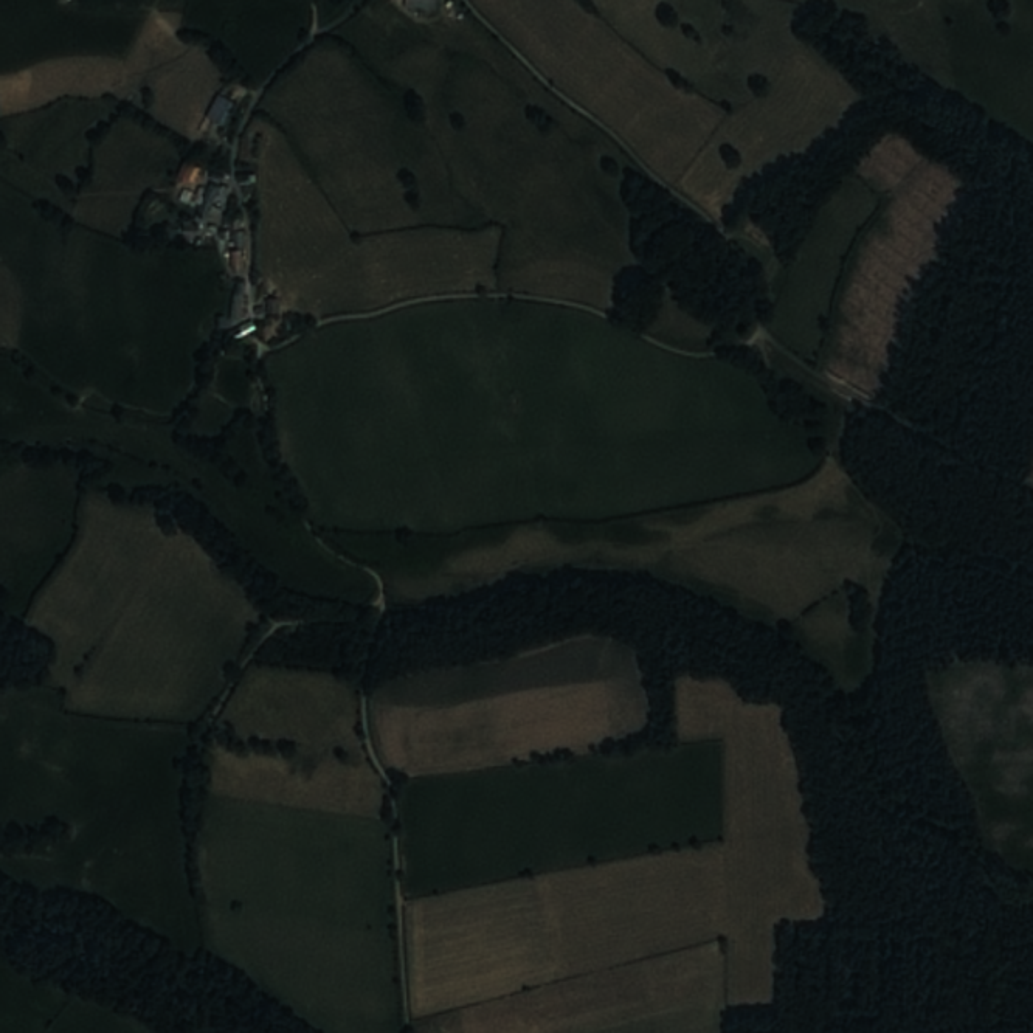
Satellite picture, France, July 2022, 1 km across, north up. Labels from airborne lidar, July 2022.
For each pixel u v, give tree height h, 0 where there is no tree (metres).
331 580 0
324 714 0
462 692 0
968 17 0
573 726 0
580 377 0
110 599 0
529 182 0
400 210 0
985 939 23
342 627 8
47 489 0
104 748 0
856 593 16
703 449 0
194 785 20
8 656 22
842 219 0
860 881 18
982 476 19
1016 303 24
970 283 22
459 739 0
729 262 23
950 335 18
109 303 0
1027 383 25
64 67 0
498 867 0
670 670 16
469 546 0
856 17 13
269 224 0
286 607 16
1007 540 23
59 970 29
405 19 0
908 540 9
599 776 0
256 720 0
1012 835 0
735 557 0
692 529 0
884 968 22
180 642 0
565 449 0
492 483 0
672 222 26
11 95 0
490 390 0
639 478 0
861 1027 24
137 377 0
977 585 25
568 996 0
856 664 0
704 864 0
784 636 11
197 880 20
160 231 16
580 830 0
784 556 0
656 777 0
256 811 0
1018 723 0
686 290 23
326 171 0
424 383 0
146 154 0
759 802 0
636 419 0
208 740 16
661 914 0
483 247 0
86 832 0
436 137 0
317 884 0
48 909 23
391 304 0
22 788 0
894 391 20
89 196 0
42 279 0
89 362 0
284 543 0
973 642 24
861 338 0
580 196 0
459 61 0
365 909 0
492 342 0
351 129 0
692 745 0
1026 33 0
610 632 17
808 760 17
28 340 0
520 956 0
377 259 0
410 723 0
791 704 15
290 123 0
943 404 18
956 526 20
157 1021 19
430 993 0
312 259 0
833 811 22
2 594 20
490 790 0
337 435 0
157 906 0
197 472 0
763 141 0
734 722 0
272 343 6
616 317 18
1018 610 24
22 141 0
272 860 0
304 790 0
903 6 0
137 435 0
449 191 0
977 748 0
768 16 0
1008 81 0
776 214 19
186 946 0
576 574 21
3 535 0
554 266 0
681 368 0
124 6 0
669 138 0
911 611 18
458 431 0
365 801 0
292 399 0
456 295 0
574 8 0
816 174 17
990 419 25
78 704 0
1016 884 35
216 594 0
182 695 0
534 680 0
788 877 0
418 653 19
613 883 0
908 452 21
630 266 0
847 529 0
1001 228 25
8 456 11
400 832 15
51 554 0
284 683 0
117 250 0
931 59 0
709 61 0
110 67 0
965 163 28
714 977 0
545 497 0
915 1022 20
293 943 0
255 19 0
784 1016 18
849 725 20
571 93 0
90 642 0
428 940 0
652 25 0
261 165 0
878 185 0
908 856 18
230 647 0
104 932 24
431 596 0
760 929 0
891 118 22
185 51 0
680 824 0
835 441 0
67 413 0
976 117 25
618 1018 0
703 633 18
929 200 0
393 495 0
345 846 0
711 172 0
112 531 0
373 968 0
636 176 17
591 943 0
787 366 0
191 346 0
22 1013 0
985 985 21
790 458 0
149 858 0
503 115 0
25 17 0
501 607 20
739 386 0
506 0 0
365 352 0
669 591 18
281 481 17
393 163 0
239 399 0
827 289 0
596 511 0
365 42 0
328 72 0
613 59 0
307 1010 0
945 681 0
